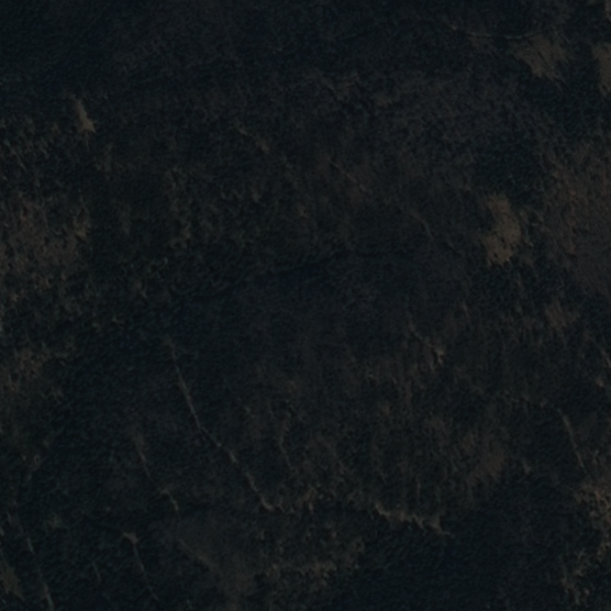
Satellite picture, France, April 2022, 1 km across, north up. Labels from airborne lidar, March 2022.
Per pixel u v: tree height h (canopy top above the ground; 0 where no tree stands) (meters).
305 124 18
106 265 26
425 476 26
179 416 23
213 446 23
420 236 19
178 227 18
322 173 15
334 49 21
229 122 25
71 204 26
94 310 36
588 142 13
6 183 11
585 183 32
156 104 17
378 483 29
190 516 18
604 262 24
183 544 26
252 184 24
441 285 16
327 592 30
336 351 19
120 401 34
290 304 22
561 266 20
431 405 24
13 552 33
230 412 22
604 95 24
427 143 21
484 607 24
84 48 16
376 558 32
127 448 32
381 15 20
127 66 19
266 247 28
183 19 24
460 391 19
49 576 30
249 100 19
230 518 17
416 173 13
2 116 24
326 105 11
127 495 23
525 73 16
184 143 20
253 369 19
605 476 21
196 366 20
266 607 20
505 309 18
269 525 17
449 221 14
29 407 20
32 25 26
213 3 19
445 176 12
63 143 24
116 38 22
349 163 15
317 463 24
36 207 22
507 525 23
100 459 15
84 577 16
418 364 16
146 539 15
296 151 25
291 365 20
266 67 19
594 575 17
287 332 22
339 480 28
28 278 25
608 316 20
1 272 28
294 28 19
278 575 26
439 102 9
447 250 16
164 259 29
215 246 27
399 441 28
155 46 21
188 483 21
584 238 33
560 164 16
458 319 13
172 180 17
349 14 18
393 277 21
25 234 24
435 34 17
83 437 18
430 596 27
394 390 19
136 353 36
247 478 18
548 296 24
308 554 31
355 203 15
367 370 17
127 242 27
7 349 28
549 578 18
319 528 28
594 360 19
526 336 18
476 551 23
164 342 37
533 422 25
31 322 26
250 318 20
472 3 20
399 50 16
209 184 23
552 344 21
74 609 26
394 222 19
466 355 21
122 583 23
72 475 22
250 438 23
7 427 31
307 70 16
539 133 17
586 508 17
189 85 20
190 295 21
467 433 22
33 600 15
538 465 23
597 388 20
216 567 23
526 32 14
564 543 22
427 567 24
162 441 24
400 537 32
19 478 8
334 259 22
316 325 18
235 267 21
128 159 21
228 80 22
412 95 15
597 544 7
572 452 19
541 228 18
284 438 17
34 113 24
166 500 17
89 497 14
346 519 31
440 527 8
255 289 26
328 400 20
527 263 13
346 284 20
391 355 15
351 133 11
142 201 26
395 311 22
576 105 25
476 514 28
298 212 23
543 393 21
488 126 22
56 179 19
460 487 28
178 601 11
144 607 13
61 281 29
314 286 20
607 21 22
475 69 24
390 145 16
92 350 32
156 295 34
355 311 21
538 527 22
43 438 19
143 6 18
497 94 28
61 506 30
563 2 26
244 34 20
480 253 15
